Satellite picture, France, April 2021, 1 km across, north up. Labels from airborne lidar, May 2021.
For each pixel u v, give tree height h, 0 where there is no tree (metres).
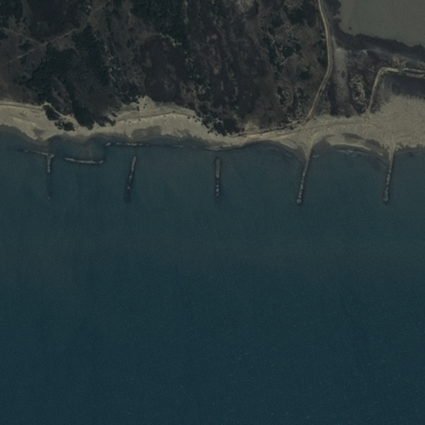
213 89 0
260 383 0
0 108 0
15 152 0
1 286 0
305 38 0
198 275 0
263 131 0
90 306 0
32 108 0
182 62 0
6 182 0
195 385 0
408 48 0
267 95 0
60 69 5
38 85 9
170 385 0
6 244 0
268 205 0
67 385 0
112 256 0
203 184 0
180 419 0
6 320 0
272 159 0
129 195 0
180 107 0
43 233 0
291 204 0
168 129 0
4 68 0
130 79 0
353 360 0
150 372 0
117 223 0
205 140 0
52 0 0
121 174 0
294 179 0
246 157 0
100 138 0
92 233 0
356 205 0
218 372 0
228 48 0
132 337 0
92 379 0
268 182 0
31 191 0
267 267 0
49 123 0
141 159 0
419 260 0
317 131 0
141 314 0
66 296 0
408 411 0
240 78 0
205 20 0
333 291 0
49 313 0
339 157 0
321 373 0
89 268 0
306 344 0
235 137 0
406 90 0
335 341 0
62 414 0
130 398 0
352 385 0
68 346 0
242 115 0
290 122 0
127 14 0
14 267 0
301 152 0
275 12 0
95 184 0
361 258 0
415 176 0
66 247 0
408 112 0
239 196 0
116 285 0
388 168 0
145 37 0
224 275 0
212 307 0
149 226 0
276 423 0
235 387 0
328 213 0
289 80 0
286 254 0
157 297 0
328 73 0
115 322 0
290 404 0
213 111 0
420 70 0
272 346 0
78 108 6
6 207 0
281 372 0
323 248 0
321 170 0
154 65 0
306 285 0
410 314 0
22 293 0
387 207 0
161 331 0
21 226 0
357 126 0
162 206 0
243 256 0
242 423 0
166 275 0
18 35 0
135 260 0
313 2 0
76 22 0
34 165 0
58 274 0
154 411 0
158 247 0
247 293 0
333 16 0
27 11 0
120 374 0
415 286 0
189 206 0
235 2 0
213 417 0
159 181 0
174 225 0
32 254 0
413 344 0
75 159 0
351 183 0
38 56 0
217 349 0
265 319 0
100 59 6
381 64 0
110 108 0
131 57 0
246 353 0
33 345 0
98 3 0
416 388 0
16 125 0
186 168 0
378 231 0
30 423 0
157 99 0
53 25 8
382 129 0
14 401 0
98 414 0
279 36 0
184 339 0
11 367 0
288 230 0
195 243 0
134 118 0
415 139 0
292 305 0
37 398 0
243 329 0
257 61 0
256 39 0
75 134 0
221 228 0
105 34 0
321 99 0
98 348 0
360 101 0
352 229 0
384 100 0
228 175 0
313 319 0
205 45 0
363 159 0
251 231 0
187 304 0
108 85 6
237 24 0
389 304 0
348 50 0
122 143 0
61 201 0
